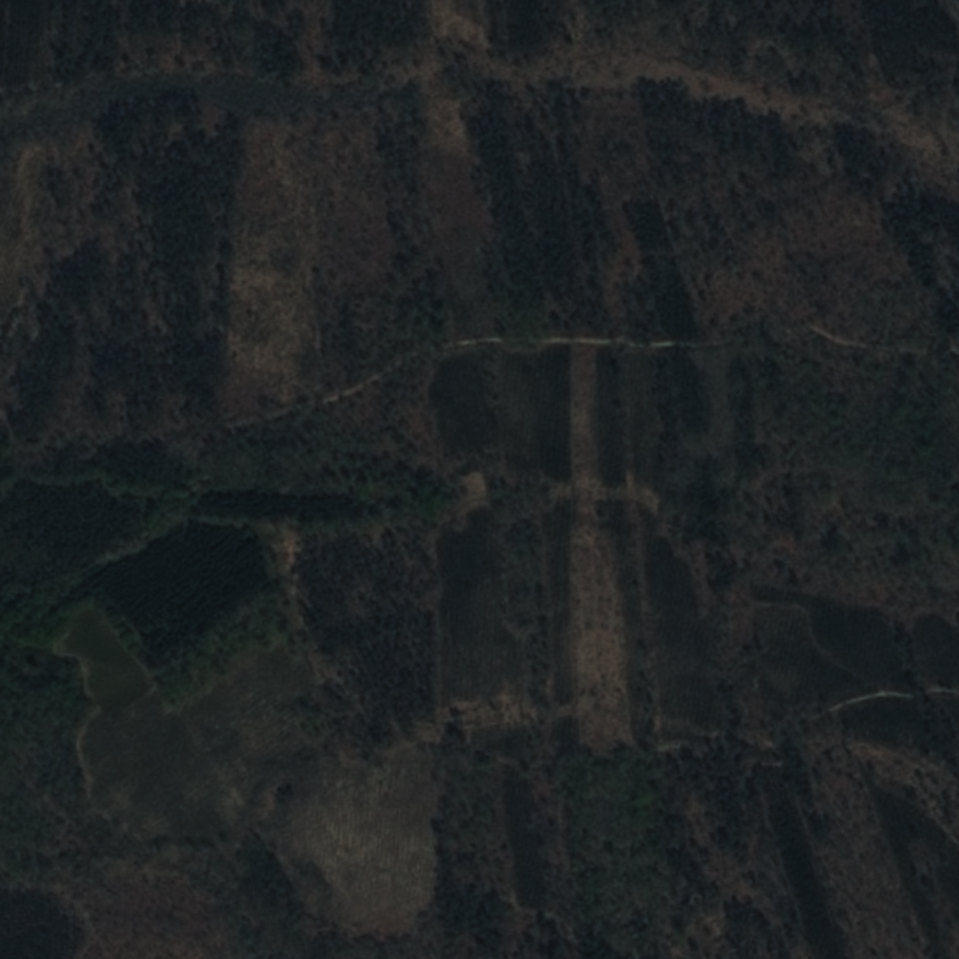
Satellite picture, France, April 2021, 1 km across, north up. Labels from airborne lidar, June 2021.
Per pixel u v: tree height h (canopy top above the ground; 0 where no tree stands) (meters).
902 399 16
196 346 19
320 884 0
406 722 18
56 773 14
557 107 14
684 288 14
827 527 11
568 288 18
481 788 15
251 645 13
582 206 20
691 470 13
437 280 16
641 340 9
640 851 10
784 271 6
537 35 9
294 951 15
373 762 19
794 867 11
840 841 14
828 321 8
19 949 9
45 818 9
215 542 9
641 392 0
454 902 16
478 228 0
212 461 11
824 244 7
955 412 19
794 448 12
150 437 10
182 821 0
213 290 9
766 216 20
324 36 7
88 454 13
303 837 0
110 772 0
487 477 9
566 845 9
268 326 0
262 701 0
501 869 14
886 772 6
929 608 10
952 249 14
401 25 15
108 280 22
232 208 21
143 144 6
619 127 9
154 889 8
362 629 11
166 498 14
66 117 8
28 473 14
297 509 10
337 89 6
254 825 0
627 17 22
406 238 24
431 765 0
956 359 29
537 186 19
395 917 0
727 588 10
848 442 16
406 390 8
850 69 10
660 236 13
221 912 16
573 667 0
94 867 7
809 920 8
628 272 9
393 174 9
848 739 15
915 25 12
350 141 14
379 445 11
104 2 20
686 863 12
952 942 15
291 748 0
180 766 0
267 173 9
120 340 18
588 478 0
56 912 6
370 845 0
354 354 8
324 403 14
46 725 17
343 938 17
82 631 0
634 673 0
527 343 15
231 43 13
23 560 15
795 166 24
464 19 0
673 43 14
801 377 7
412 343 8
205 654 20
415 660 19
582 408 0
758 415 10
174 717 0
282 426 7
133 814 0
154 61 19
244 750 0
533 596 17
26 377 7
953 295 11
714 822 18
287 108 6
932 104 14
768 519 11
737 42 20
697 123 27
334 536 17
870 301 13
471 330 0
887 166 15
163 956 11
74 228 9
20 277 11
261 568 9
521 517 12
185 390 24
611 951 21
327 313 11
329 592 19
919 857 8
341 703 17
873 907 8
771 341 12
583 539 0
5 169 17
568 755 15
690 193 25
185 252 21
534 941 17
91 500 12
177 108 28
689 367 12
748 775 21
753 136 9
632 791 14
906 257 10
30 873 15
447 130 0
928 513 10
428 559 16
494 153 25
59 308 22
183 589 8
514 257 22
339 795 0
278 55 18
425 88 11
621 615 0
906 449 17
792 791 19
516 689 0
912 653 25
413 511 20
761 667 0
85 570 6
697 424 12
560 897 10
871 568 9
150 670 9
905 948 13
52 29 9
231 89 7
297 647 21
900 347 14
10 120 9
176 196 25
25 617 17
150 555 9
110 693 0
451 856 10
